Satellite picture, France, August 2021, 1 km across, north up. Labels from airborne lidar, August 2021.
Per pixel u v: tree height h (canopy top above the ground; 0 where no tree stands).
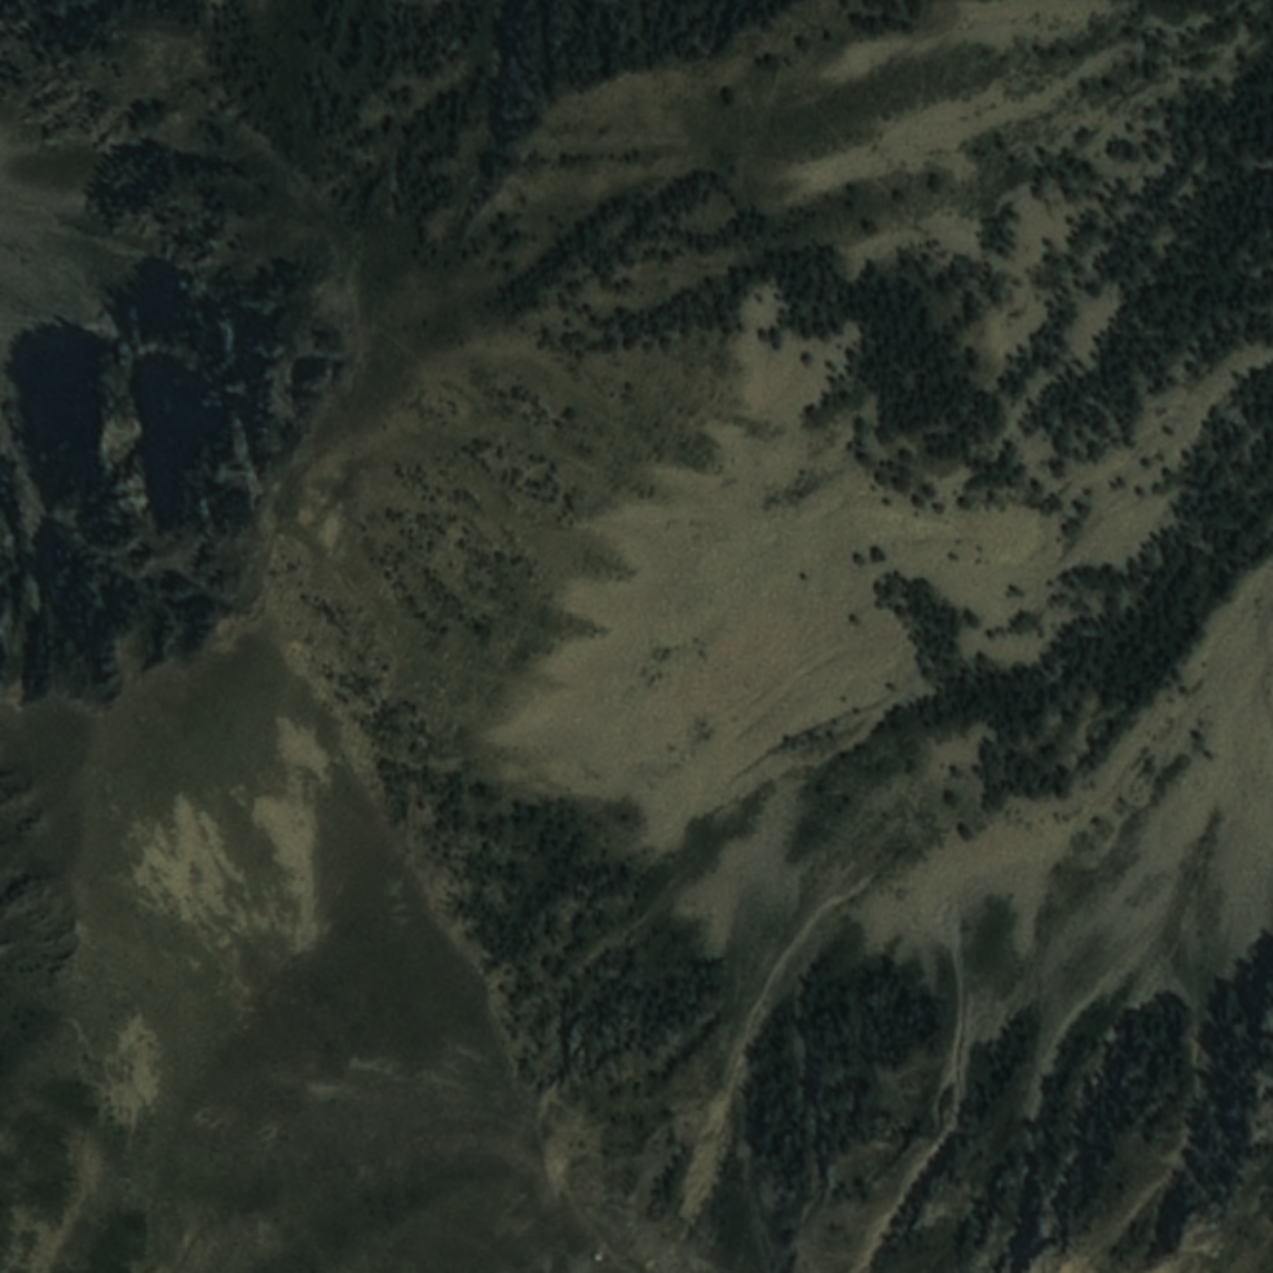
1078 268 16
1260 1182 0
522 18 10
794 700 0
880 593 10
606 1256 0
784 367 0
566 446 0
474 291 0
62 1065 0
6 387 0
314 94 11
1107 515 0
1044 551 0
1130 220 7
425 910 0
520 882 11
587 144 0
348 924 0
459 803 10
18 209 0
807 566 0
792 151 0
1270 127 20
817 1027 8
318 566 0
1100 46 0
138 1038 0
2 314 0
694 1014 12
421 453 0
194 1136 0
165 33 0
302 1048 0
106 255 0
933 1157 0
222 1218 0
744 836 0
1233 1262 0
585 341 12
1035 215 0
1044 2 0
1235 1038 7
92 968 0
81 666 0
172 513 6
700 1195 0
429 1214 0
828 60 0
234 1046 0
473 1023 0
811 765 0
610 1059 7
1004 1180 10
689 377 0
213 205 10
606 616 0
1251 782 0
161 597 0
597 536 0
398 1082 0
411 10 14
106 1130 0
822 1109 6
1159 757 0
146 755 0
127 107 0
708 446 0
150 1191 0
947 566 0
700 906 0
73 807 0
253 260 0
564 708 0
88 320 0
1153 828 0
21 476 0
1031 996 0
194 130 0
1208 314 12
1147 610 18
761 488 0
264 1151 0
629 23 12
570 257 15
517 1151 0
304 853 0
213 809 0
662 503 0
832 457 0
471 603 0
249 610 0
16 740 0
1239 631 0
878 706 0
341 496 0
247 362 7
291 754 0
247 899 0
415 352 0
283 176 0
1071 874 0
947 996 0
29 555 0
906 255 12
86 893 0
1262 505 14
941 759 0
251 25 15
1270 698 0
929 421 10
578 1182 0
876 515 0
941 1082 0
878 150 0
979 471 15
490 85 0
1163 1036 16
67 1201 0
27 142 0
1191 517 11
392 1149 0
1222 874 0
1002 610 0
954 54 0
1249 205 21
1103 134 0
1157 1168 0
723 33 14
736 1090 0
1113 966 0
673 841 0
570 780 0
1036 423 10
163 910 0
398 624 0
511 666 0
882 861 0
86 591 8
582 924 15
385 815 0
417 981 0
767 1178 0
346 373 0
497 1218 0
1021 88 0
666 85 0
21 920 0
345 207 7
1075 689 15
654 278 0
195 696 0
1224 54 0
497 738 0
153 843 0
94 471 6
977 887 0
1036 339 11
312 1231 0
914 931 0
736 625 0
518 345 0
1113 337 7
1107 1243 0
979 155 7
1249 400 14
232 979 0
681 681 0
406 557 10
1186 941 0
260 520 0
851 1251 0
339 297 0
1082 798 0
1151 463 8
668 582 0
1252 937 0
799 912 0
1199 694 0
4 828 0
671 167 0
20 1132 0
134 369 0
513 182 0
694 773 0
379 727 8
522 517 0
